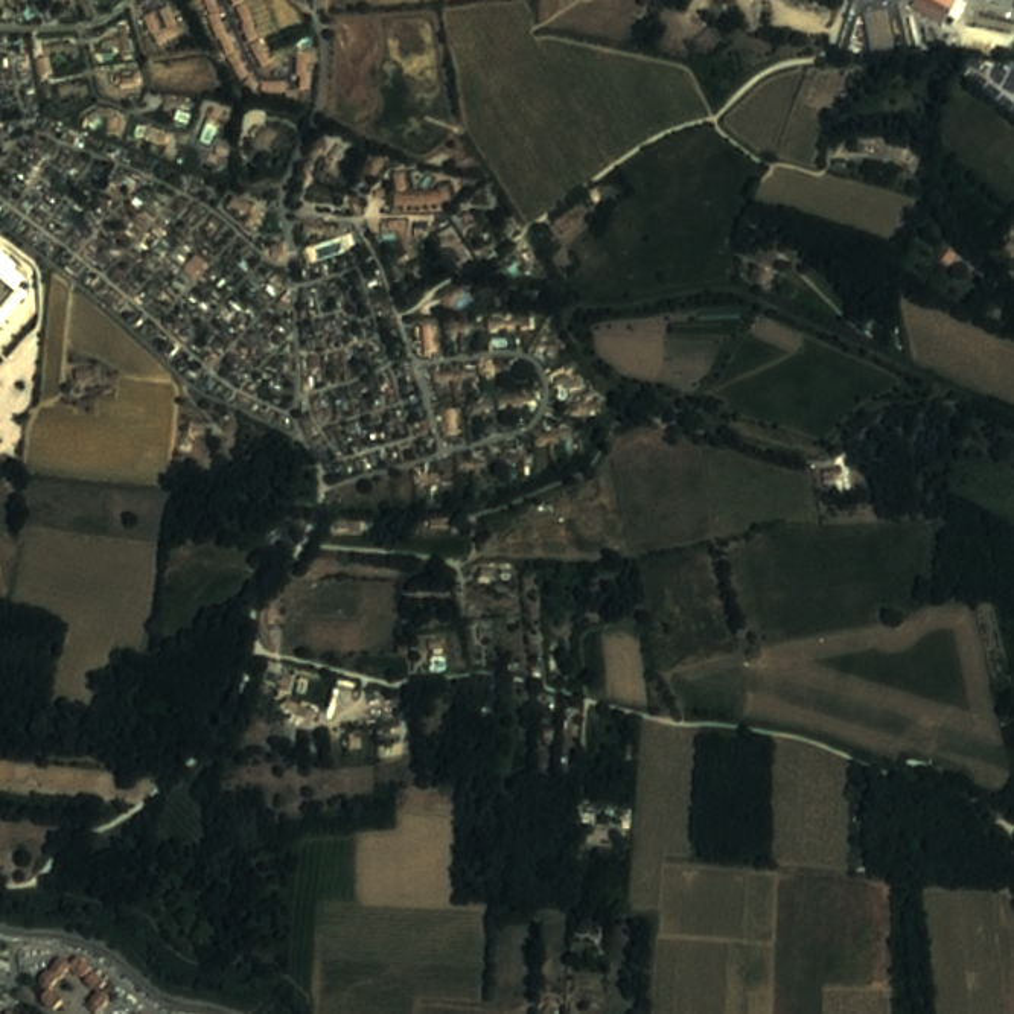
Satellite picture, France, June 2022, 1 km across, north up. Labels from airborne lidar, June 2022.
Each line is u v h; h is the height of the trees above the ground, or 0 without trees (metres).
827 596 0
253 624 17
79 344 0
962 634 0
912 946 14
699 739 9
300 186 8
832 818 0
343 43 0
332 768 13
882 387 0
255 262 8
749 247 14
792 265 10
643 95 0
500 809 23
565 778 20
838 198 0
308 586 0
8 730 24
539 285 14
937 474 6
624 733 16
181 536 10
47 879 13
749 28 10
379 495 0
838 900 0
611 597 20
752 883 0
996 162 0
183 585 0
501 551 0
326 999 0
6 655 26
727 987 0
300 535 20
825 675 0
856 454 19
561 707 7
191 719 17
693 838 9
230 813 25
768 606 0
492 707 6
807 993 0
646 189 0
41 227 0
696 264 0
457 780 10
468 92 0
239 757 16
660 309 7
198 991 11
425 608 8
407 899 0
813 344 0
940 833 14
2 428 0
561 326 8
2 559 0
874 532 0
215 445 12
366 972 0
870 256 17
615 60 0
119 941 6
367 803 15
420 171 10
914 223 21
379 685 6
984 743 0
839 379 0
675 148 0
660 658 0
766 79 0
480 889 25
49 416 0
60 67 6
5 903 16
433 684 16
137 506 0
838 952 0
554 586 17
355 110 0
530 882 16
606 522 0
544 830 25
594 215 10
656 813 0
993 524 24
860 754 6
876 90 14
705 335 0
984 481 0
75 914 14
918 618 0
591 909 20
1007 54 13
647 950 26
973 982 0
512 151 0
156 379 0
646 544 0
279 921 10
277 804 9
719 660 0
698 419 11
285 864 10
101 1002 0
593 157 0
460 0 6
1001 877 17
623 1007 0
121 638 0
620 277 0
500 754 10
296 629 0
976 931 0
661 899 0
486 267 15
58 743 15
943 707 0
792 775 0
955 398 14
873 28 0
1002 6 0
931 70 22
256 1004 6
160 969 12
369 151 8
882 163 9
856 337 10
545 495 0
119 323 0
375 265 7
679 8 9
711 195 0
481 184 8
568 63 0
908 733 0
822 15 0
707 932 0
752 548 0
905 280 21
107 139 6
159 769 17
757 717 0
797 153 0
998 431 18
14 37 7
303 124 11
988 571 13
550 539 0
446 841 0
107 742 16
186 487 14
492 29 0
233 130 14
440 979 0
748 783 12
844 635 0
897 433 18
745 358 0
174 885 10
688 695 0
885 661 0
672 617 0
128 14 8
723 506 0
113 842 8
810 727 0
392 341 9
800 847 0
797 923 0
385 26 0
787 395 0
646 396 19
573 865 22
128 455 0
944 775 10
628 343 0
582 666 7
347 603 0
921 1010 11
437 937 0
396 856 0
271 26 0
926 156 12
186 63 0
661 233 0
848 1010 0
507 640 0
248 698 16
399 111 0
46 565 0
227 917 16
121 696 17
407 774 0
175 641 13
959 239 19
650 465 0
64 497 0
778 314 11
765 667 0
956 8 0
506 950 0
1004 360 0
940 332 0
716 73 7
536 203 0
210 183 9
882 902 0
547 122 0
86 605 0
